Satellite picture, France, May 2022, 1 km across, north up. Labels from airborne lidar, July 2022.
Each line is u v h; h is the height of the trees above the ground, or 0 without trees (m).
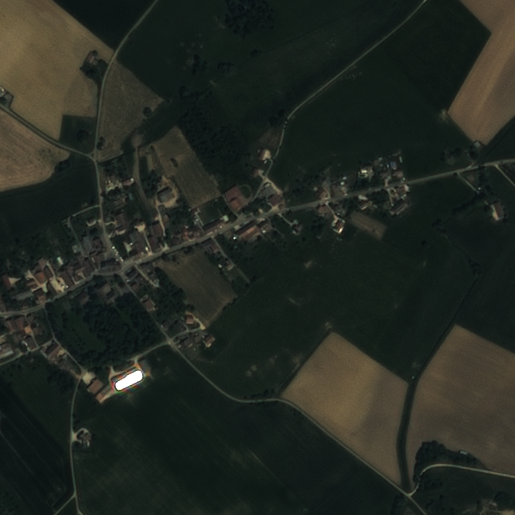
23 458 0
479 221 0
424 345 0
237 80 0
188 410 0
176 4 0
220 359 0
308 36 0
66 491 0
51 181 0
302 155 0
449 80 0
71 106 0
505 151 0
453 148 0
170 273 0
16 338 0
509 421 0
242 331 0
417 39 0
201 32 0
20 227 0
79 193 0
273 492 0
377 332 0
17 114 0
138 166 0
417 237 0
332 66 0
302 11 0
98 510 0
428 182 0
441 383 0
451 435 0
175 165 9
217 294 0
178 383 0
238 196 0
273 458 0
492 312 0
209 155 8
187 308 8
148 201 0
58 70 0
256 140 0
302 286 0
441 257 0
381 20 0
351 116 0
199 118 9
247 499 0
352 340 0
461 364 0
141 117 0
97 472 0
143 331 21
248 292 0
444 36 0
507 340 0
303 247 0
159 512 0
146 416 0
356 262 0
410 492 0
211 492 0
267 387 0
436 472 0
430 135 0
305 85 0
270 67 0
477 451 0
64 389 10
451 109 0
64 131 0
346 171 0
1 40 0
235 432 0
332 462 0
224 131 11
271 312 0
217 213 0
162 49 0
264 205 8
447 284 0
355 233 0
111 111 0
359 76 0
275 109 0
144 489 0
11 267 8
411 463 0
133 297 26
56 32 0
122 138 0
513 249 0
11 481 0
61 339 24
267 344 0
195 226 7
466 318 0
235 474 0
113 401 0
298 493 0
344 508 0
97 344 0
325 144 0
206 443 0
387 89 0
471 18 0
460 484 0
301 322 0
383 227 0
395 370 0
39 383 0
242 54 0
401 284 0
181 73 0
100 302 12
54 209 0
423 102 0
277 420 0
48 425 0
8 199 0
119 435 0
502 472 0
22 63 0
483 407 0
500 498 10
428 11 0
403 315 0
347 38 0
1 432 0
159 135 0
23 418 0
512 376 0
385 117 0
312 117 0
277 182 0
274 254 0
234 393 0
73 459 0
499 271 0
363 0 0
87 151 0
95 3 0
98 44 0
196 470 0
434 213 0
